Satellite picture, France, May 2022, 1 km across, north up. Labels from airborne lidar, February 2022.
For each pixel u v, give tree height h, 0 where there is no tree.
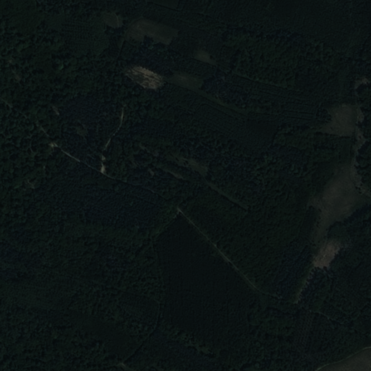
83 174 20
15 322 24
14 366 30
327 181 13
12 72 27
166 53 25
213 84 24
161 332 23
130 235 28
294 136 28
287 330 26
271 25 12
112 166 20
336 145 8
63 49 14
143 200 20
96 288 19
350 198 0
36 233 27
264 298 17
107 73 23
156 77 0
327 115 15
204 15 9
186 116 23
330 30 11
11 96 28
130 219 24
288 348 24
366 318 15
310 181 11
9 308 21
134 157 0
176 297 14
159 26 0
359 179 0
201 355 17
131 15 13
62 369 25
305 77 21
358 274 22
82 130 26
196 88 0
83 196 16
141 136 29
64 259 23
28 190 25
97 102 23
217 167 28
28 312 19
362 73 26
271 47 29
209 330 14
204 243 8
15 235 28
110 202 17
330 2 10
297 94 7
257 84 8
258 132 8
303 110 10
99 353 27
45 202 19
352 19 13
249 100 20
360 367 0
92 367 18
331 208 0
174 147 26
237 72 22
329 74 20
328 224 0
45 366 27
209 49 6
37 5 23
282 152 26
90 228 26
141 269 16
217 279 12
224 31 9
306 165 20
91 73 24
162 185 16
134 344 10
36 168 29
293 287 24
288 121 9
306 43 18
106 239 15
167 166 24
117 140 21
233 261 12
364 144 0
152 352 20
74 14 16
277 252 15
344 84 18
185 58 8
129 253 22
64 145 32
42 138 27
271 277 15
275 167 24
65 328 27
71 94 22
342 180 0
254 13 12
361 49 11
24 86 20
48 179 13
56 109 26
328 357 18
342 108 0
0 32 29
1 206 31
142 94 30
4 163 31
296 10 11
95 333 11
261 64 25
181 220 13
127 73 0
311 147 25
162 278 11
